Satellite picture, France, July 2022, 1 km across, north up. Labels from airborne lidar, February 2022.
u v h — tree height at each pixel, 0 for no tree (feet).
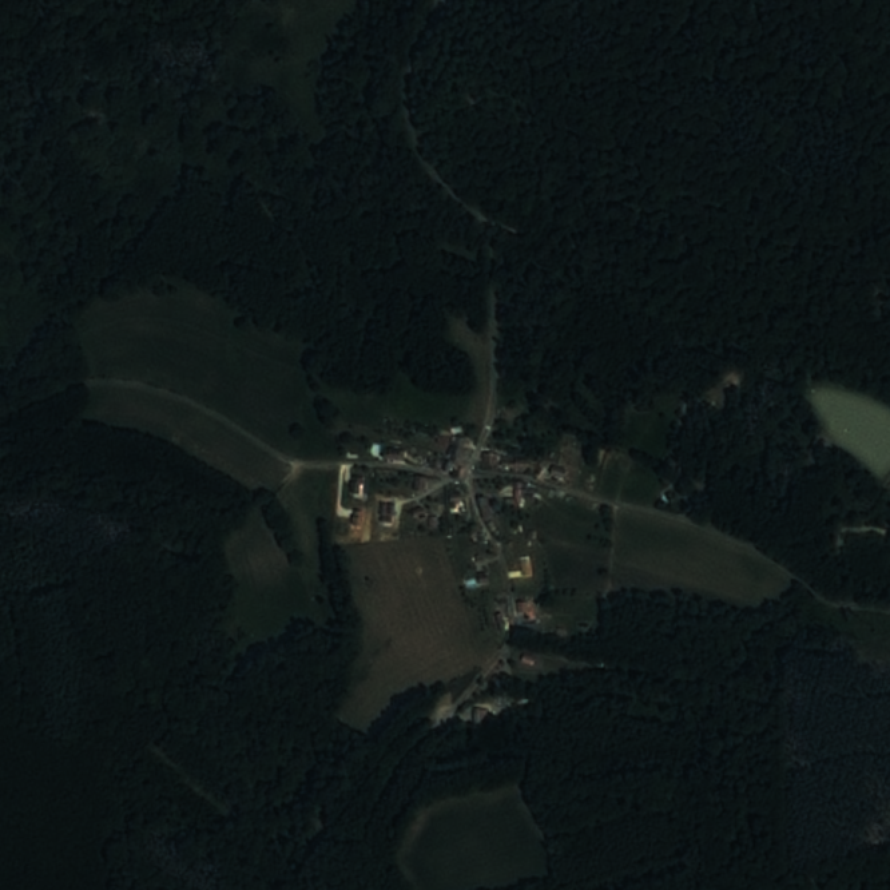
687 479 67
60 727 73
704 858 84
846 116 91
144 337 0
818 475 70
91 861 36
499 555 0
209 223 82
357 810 68
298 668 97
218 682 79
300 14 0
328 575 61
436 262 67
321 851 99
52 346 83
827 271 81
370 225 90
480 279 70
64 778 38
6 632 77
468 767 66
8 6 95
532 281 84
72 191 75
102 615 74
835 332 98
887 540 20
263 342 0
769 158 86
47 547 38
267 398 0
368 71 42
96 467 54
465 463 0
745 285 91
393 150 80
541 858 0
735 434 73
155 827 88
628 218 87
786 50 105
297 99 0
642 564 0
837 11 83
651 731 50
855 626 0
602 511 29
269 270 73
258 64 0
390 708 0
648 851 53
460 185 74
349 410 0
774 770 92
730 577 0
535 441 45
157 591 73
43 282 49
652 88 86
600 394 72
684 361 85
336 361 90
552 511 0
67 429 57
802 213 73
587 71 87
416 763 56
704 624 77
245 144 70
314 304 84
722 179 88
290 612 0
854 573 38
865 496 51
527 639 41
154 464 57
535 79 84
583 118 84
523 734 63
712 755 86
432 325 99
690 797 83
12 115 36
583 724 51
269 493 54
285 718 83
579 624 0
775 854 79
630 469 0
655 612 71
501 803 0
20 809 34
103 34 88
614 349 29
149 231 62
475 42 87
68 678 76
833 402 0
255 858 89
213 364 0
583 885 35
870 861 77
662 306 80
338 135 73
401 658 0
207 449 0
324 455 0
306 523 0
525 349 57
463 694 63
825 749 69
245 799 89
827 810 55
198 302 0
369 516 0
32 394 85
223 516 80
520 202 75
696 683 34
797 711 70
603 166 91
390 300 79
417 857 0
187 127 53
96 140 18
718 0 84
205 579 75
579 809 89
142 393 0
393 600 0
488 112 69
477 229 108
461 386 81
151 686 59
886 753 68
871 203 79
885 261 99
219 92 39
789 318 92
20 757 34
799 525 77
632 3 93
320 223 67
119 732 52
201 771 53
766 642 81
